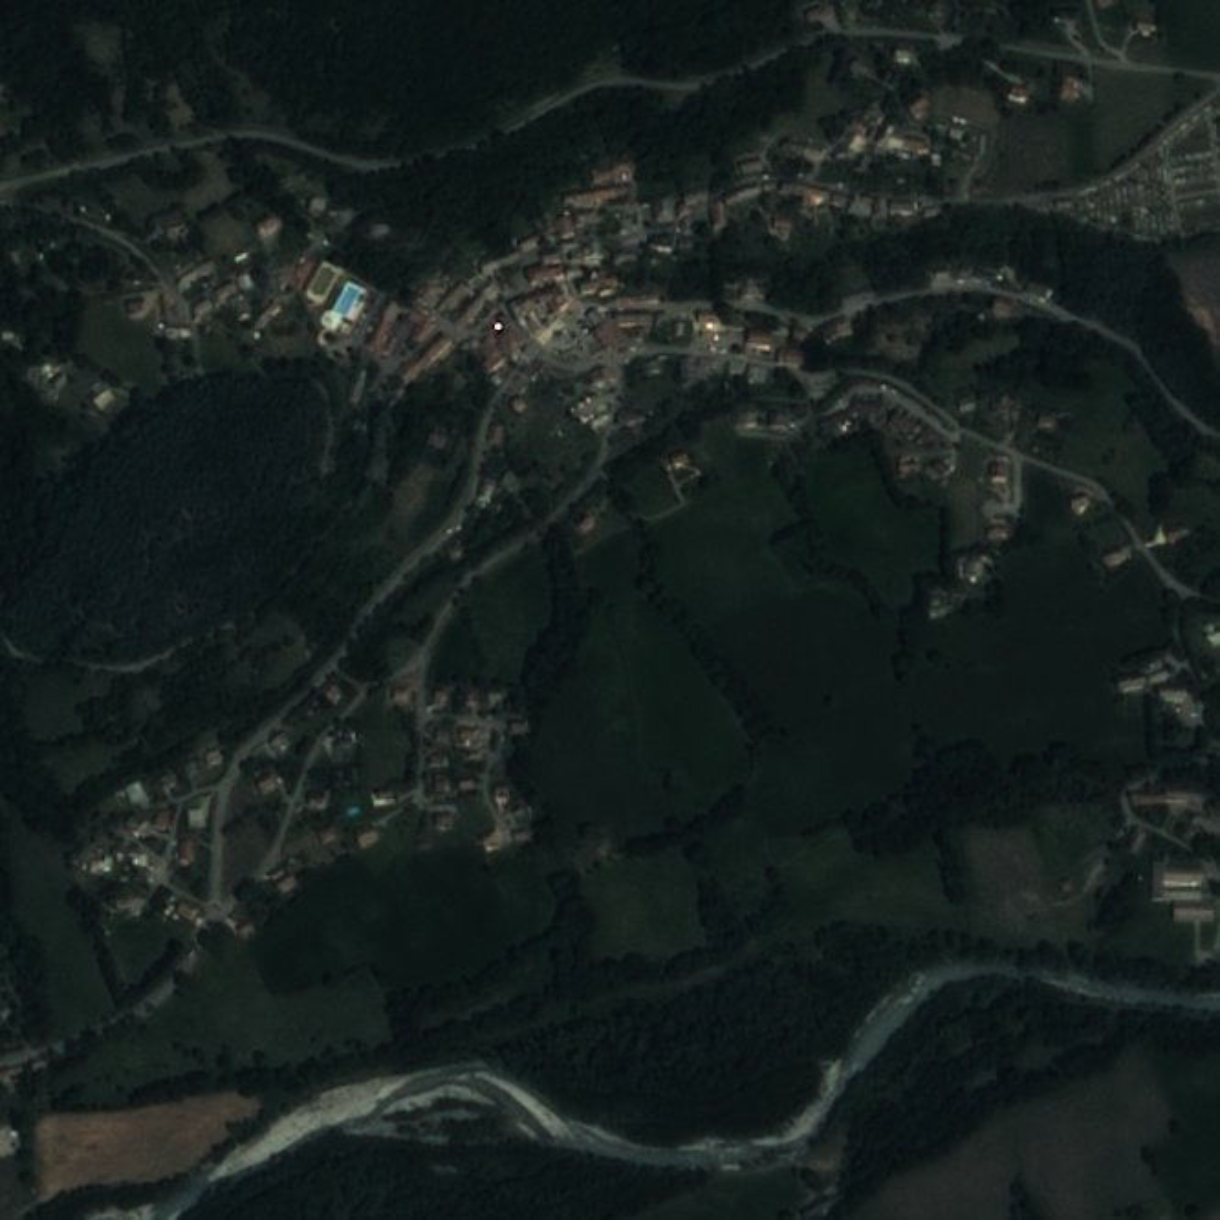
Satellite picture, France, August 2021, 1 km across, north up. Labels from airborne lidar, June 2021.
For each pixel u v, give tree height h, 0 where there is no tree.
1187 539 6
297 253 0
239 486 19
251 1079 21
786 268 7
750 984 19
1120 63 0
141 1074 0
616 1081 14
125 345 0
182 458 20
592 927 22
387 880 0
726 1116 8
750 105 22
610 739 0
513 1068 22
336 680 16
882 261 19
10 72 18
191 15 9
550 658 23
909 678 19
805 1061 9
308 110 9
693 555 0
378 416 16
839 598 0
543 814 14
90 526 25
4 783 22
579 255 0
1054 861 0
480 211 15
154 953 0
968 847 0
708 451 0
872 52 7
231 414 25
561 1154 7
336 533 10
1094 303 27
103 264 10
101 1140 0
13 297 16
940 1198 0
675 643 0
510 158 17
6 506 12
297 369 14
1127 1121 0
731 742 0
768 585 0
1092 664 0
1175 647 10
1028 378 18
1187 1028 15
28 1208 0
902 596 0
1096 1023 19
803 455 10
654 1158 0
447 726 7
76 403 0
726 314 14
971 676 0
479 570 8
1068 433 6
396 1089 0
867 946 14
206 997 0
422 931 0
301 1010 0
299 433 20
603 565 0
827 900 0
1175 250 15
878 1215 0
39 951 18
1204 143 0
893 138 0
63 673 19
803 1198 0
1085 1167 0
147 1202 13
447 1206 17
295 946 0
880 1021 0
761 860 0
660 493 0
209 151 11
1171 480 15
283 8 16
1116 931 21
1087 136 0
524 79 14
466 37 19
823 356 12
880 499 0
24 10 17
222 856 0
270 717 8
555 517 0
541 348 0
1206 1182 0
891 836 14
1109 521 8
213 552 21
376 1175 13
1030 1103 19
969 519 0
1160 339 20
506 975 15
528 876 0
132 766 17
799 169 11
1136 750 0
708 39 20
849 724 0
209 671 10
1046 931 0
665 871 0
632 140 11
